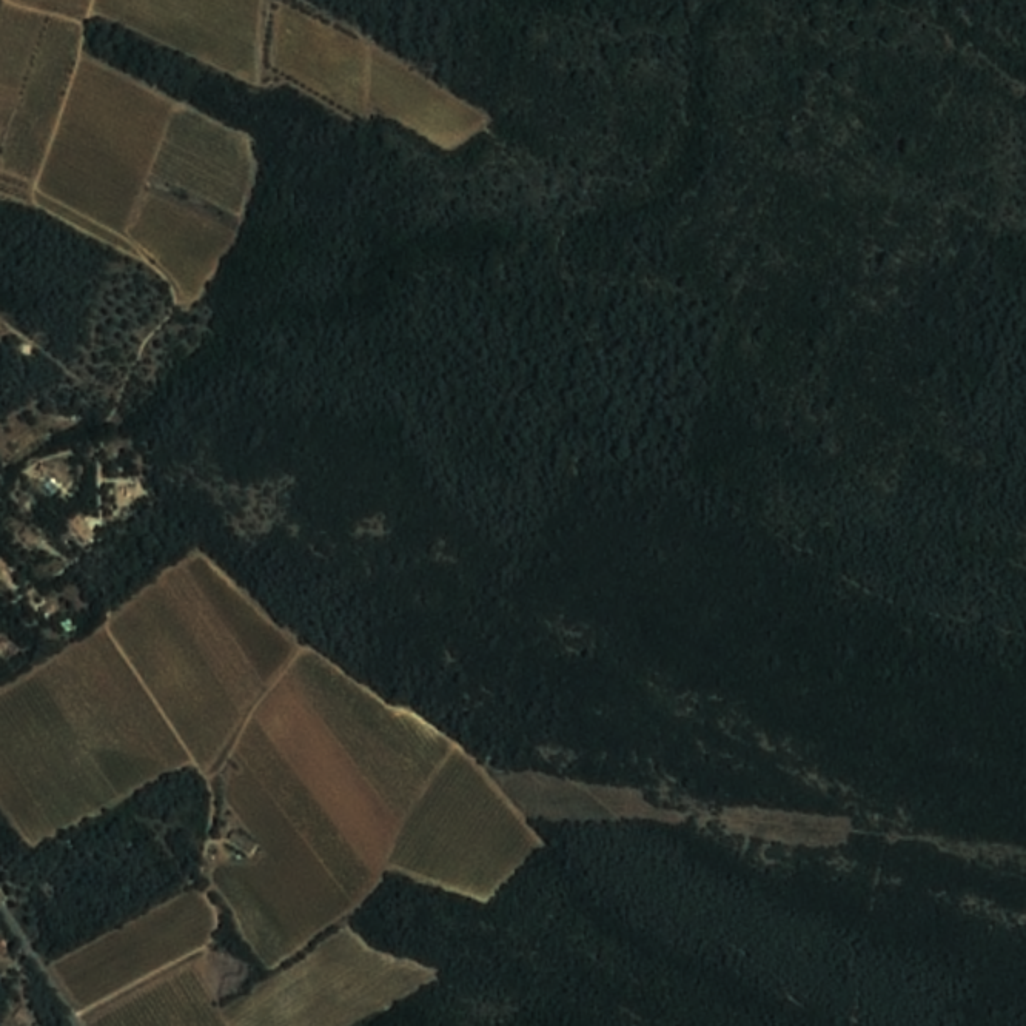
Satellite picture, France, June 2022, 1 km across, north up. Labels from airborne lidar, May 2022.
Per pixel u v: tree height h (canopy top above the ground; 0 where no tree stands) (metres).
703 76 6
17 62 0
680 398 16
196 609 0
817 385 9
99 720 0
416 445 18
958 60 9
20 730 0
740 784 5
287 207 15
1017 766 8
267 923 0
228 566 8
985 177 9
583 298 12
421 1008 8
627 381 19
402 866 0
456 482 16
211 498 6
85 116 0
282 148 6
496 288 15
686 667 8
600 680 6
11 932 9
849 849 7
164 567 15
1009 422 19
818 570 7
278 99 6
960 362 7
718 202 6
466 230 15
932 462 8
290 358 18
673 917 14
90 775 0
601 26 10
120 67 6
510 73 9
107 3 0
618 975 8
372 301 8
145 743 0
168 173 0
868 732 7
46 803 0
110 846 22
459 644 7
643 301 15
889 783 6
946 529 17
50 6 0
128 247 0
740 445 6
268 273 10
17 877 17
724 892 12
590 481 9
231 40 0
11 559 12
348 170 9
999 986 6
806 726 6
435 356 9
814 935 13
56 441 12
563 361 15
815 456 7
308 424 16
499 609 12
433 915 6
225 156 0
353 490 6
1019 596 14
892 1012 15
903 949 10
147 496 9
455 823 0
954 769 8
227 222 0
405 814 0
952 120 7
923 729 7
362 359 6
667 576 6
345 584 18
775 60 9
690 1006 6
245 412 11
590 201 15
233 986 0
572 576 8
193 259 0
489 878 0
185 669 0
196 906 0
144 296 16
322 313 7
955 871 6
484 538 16
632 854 16
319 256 9
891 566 14
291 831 0
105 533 12
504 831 0
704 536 6
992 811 7
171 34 0
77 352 20
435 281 9
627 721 5
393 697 6
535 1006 9
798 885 7
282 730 0
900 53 7
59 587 15
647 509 7
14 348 19
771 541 7
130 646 0
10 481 9
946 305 7
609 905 9
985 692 9
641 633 7
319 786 0
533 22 7
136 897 18
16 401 18
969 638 15
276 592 18
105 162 0
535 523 16
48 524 9
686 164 5
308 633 19
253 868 0
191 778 10
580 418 18
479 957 6
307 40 0
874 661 11
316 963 0
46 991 15
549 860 8
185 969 0
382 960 0
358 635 19
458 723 17
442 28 22
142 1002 0
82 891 19
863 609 9
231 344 15
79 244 15
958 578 7
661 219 11
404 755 0
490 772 0
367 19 18
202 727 0
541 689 15
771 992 14
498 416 14
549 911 9
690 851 8
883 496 7
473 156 11
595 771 6
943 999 15
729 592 7
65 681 0
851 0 13
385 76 0
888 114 5
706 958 14
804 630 10
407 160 17
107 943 0
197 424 7
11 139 0
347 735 0
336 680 0
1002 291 9
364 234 14
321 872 0
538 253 11
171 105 0
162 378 7
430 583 8
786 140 21
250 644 0
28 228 16
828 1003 5
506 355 19
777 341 7
